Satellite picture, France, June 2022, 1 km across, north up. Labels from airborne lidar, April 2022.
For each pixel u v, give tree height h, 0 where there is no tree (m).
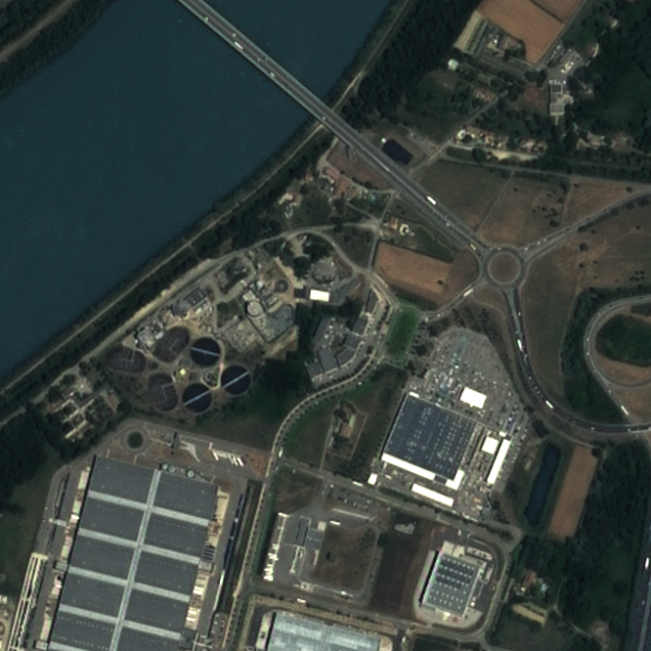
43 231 0
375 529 0
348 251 0
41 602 0
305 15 0
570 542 16
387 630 0
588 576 15
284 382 14
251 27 0
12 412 18
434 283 0
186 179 0
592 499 20
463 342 0
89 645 0
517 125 0
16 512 14
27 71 17
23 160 0
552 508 0
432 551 0
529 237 0
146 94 0
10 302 0
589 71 24
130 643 0
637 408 0
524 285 0
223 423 0
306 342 17
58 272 0
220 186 0
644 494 16
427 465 0
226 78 0
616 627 13
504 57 6
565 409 0
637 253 0
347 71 11
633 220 0
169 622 0
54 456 0
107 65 0
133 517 0
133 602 0
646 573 0
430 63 16
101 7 7
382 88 16
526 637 0
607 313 0
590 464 0
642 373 0
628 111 0
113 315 7
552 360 0
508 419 0
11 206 0
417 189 0
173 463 0
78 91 0
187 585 0
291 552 0
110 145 0
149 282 9
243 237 12
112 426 16
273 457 0
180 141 0
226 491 0
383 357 0
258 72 0
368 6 0
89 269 0
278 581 0
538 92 0
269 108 0
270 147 0
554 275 0
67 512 0
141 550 0
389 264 0
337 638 0
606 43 9
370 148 0
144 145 0
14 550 0
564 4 0
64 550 0
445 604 0
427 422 0
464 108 9
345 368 0
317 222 0
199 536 0
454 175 0
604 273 0
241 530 0
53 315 0
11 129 0
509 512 0
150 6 0
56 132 0
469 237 0
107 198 0
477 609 0
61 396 9
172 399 0
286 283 0
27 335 0
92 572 0
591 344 0
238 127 0
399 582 0
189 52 0
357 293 0
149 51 0
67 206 0
